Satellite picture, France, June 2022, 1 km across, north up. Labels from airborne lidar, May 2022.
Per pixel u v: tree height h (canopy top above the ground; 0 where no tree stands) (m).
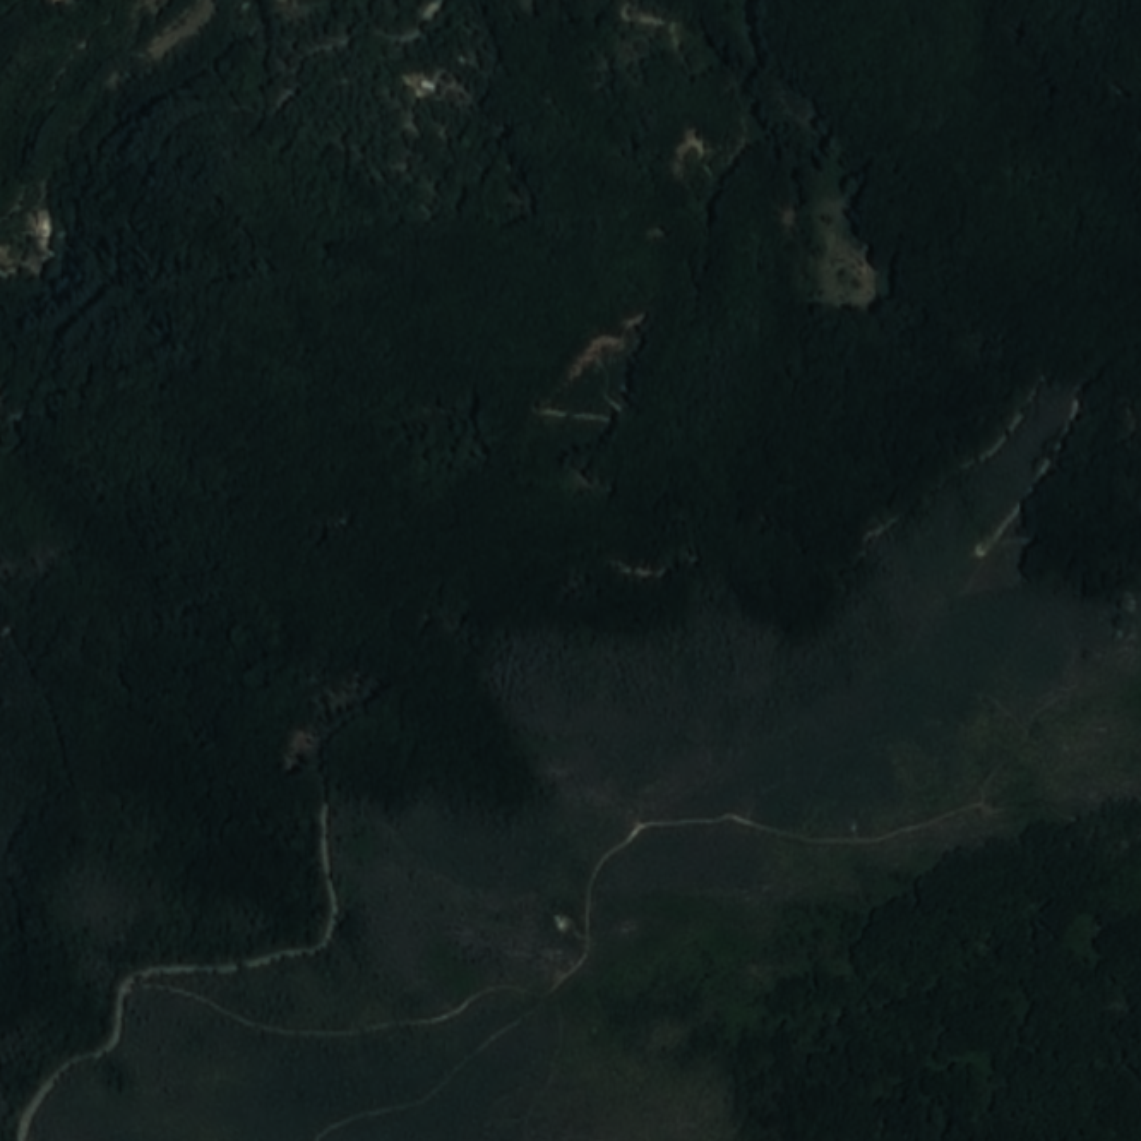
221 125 17
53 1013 11
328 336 17
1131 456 10
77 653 18
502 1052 0
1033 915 22
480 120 14
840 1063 24
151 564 22
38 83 10
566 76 20
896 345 20
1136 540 14
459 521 20
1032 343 19
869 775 0
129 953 8
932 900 19
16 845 13
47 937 8
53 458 25
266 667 12
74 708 16
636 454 26
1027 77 30
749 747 0
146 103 7
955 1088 16
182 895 8
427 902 0
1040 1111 21
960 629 0
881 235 21
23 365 29
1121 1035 24
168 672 14
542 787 7
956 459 15
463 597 16
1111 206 13
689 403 11
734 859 0
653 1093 0
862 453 23
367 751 11
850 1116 18
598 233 17
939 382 22
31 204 9
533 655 8
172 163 21
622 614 14
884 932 19
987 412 12
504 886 0
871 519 16
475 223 18
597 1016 0
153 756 26
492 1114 0
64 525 12
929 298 21
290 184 16
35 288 16
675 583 17
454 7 12
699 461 14
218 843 20
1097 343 14
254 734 15
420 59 13
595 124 19
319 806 11
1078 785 0
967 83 18
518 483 22
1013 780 0
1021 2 20
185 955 10
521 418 26
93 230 18
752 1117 7
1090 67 19
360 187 17
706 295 14
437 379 21
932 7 12
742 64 26
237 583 20
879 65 14
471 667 13
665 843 0
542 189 16
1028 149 27
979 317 20
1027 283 18
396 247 20
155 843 8
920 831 0
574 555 19
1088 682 0
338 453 20
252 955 8
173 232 22
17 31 18
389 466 14
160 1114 0
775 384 25
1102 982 20
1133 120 22
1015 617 0
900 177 17
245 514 16
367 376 25
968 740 0
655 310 9
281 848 16
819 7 18
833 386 16
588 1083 0
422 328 18
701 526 14
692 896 0
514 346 17
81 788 8
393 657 21
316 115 15
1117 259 19
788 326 16
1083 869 18
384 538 18
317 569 18
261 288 17
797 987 12
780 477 23
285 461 22
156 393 24
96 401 22
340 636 12
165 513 21
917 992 12
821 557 14
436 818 0
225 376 24
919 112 9
